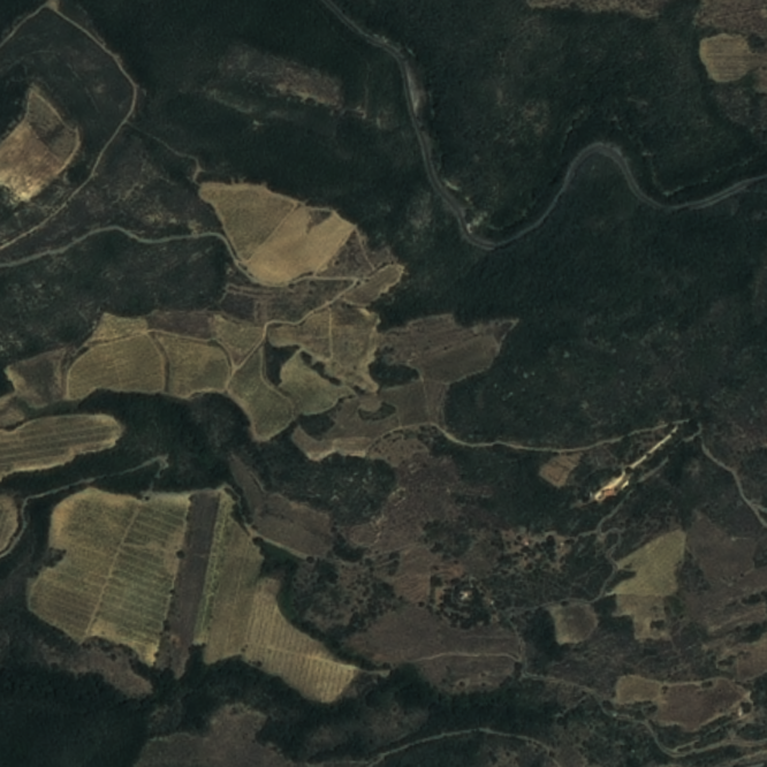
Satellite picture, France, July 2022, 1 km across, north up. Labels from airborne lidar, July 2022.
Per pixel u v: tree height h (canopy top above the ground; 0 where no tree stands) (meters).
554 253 6
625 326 7
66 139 0
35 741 7
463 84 6
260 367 0
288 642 0
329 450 0
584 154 0
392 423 0
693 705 0
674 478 8
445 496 0
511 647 0
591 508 5
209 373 0
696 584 0
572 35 8
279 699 6
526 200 9
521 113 7
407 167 6
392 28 9
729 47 0
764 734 7
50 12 0
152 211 0
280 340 0
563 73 7
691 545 0
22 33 0
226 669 9
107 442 0
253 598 0
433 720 9
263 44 5
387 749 7
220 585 0
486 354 0
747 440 0
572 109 8
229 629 0
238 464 0
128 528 0
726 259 6
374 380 0
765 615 0
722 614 0
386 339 0
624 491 7
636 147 6
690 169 7
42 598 0
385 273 0
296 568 6
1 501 0
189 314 0
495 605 7
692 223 6
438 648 0
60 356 0
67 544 0
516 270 6
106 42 6
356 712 8
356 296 0
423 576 0
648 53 6
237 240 0
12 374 0
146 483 6
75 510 0
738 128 7
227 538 0
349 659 10
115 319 0
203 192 0
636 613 0
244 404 0
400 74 8
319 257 0
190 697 11
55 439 0
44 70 0
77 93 0
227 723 0
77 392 0
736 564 0
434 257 6
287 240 0
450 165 7
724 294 6
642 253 6
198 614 0
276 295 0
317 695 0
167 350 0
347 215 6
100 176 0
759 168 6
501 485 6
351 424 0
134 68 6
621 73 13
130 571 0
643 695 0
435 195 7
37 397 0
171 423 8
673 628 0
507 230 8
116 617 0
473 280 7
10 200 0
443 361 0
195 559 0
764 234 5
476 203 8
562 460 0
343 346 0
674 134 6
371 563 6
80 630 0
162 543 0
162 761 0
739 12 0
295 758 8
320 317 0
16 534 5
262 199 0
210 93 0
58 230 0
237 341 0
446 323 0
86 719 6
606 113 15
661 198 6
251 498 0
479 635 0
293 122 5
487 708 9
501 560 8
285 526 0
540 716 8
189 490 8
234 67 0
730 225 7
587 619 0
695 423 10
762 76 0
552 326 8
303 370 0
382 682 12
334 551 6
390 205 7
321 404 0
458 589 7
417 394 0
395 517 0
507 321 0
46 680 15
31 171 0
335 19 11
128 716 10
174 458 6
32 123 0
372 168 5
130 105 0
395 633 0
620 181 6
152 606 0
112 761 9
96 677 13
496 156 5
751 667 0
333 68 6
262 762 0
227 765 0
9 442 0
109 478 6
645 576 0
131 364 0
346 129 7
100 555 0
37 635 8
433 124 15
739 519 0
